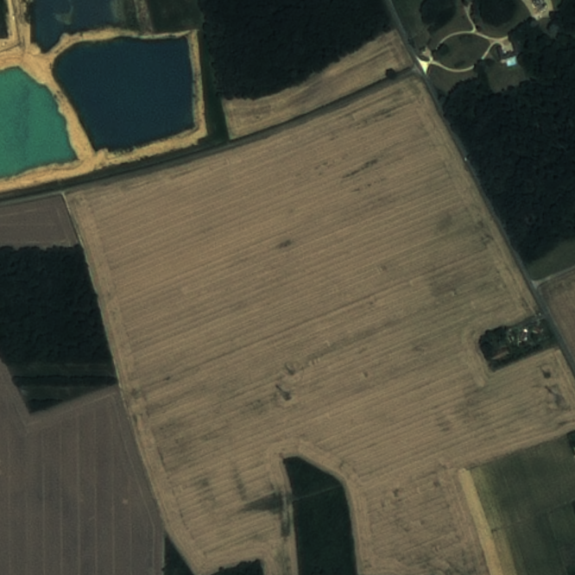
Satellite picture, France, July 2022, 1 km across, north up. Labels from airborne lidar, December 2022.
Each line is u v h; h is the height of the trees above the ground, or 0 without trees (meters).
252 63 20
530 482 0
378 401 0
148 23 0
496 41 0
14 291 21
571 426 0
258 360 0
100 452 0
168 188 0
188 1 0
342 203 0
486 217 0
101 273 0
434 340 0
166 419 0
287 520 0
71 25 0
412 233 0
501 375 0
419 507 0
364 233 0
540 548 0
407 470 0
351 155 0
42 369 0
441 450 0
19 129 0
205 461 0
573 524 0
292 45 17
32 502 0
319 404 0
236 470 0
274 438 0
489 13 8
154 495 0
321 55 25
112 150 0
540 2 0
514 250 0
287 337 0
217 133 0
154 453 0
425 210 0
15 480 0
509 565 0
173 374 0
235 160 0
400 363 0
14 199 0
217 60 7
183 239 0
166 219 0
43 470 0
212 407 0
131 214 0
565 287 0
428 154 0
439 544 0
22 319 13
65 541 0
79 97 0
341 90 0
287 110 0
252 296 0
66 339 12
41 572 0
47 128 0
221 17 19
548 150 31
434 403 0
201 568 0
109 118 0
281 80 19
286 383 0
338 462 0
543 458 0
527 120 31
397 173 0
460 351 0
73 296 22
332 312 0
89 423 0
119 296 0
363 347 0
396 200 0
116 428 0
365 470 0
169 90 0
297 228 0
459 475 0
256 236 0
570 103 21
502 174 28
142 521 0
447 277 0
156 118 0
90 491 0
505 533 0
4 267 19
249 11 28
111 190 0
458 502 0
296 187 0
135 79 0
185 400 0
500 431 0
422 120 0
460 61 0
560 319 0
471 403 0
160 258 0
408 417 0
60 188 0
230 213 0
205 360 0
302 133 0
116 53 0
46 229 0
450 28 0
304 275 0
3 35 0
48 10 0
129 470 0
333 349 0
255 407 0
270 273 0
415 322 0
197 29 0
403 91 0
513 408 0
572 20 8
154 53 0
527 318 0
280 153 0
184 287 0
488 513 0
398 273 0
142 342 0
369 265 0
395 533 0
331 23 22
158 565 0
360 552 0
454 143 0
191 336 0
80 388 0
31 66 0
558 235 11
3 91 0
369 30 17
